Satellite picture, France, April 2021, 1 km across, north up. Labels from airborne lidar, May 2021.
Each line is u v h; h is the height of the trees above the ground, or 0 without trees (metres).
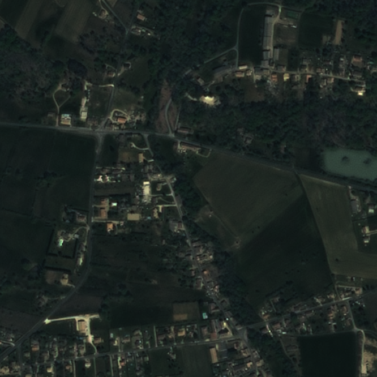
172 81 18
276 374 0
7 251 0
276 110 17
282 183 0
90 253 0
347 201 0
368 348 0
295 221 0
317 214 0
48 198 0
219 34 0
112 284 0
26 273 0
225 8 23
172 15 17
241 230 0
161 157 11
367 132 17
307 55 0
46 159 0
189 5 16
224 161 0
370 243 0
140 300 0
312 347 0
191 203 20
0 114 0
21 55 14
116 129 0
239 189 0
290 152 10
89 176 0
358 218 0
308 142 6
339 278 0
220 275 11
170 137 0
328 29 0
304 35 0
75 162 0
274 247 0
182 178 17
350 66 7
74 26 0
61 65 18
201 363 0
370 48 11
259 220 0
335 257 0
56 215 0
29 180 0
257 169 0
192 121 17
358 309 10
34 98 9
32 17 0
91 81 8
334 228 0
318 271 0
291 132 20
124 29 13
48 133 0
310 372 0
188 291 0
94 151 0
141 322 0
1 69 17
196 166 0
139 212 0
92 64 0
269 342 28
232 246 0
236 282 16
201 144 0
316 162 0
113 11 0
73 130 0
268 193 0
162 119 0
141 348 0
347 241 0
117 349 0
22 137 0
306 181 0
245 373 0
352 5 17
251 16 0
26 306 0
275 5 0
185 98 13
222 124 14
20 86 8
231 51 0
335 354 0
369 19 16
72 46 0
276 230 0
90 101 0
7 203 0
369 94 18
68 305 0
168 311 0
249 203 0
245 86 0
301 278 0
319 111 15
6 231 0
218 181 0
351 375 0
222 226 0
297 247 0
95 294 0
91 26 0
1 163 0
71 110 0
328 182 0
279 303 11
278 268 0
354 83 12
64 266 0
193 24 0
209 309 0
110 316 9
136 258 0
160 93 15
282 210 0
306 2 13
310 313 0
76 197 0
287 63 0
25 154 0
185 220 15
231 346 0
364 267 0
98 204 0
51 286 0
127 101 0
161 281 0
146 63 0
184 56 12
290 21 0
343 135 17
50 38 10
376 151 12
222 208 0
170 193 0
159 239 0
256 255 0
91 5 0
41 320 0
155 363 0
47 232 0
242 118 16
